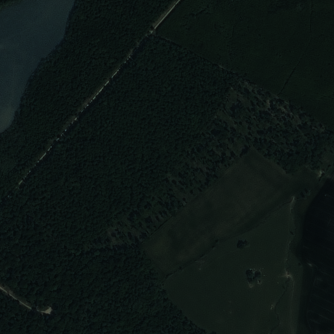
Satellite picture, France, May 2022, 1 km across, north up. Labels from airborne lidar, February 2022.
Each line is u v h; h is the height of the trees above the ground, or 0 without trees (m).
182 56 24
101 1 26
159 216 0
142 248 19
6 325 23
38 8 0
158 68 24
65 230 26
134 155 27
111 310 25
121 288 22
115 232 0
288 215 0
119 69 0
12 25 0
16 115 14
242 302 0
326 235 0
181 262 0
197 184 22
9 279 30
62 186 24
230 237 0
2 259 27
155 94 24
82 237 25
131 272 21
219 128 25
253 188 0
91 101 0
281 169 0
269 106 0
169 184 28
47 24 0
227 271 0
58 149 20
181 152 26
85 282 23
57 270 28
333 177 0
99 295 24
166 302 22
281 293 0
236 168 0
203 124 24
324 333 0
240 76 24
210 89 28
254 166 0
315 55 9
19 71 0
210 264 0
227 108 26
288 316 0
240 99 0
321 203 0
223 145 27
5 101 0
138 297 24
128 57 0
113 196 25
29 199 23
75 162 21
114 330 21
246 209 0
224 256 0
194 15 21
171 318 22
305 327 0
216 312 0
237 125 24
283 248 0
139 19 23
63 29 0
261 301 0
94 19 23
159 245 0
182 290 0
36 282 25
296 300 0
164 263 0
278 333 0
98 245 29
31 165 23
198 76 24
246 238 0
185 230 0
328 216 0
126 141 25
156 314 26
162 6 22
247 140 20
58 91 21
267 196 0
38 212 25
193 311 0
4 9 0
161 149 26
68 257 28
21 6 0
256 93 23
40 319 27
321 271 0
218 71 25
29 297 28
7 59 0
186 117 26
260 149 20
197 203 0
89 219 25
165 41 22
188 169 25
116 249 27
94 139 24
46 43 0
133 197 26
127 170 27
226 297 0
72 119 0
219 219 0
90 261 23
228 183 0
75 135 19
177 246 0
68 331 23
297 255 0
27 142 19
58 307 27
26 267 30
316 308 0
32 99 16
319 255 0
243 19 13
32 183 21
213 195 0
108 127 24
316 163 22
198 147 0
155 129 26
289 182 0
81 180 25
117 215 27
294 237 0
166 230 0
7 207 23
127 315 22
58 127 15
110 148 24
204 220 0
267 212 0
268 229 0
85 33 20
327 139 22
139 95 24
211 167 0
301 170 0
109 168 27
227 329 0
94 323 24
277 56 7
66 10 0
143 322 26
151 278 26
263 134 20
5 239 26
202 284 0
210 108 22
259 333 0
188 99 24
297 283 0
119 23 23
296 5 11
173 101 24
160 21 0
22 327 24
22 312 19
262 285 0
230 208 0
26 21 0
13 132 6
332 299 0
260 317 0
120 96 23
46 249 24
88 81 21
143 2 21
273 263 0
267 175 0
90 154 24
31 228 27
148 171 27
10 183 21
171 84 22
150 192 25
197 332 19
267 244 0
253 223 0
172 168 24
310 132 24
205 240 0
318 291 0
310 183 0
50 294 26
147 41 23
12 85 0
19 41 0
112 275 26
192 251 0
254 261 0
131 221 24
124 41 21
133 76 25
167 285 0
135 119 24
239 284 0
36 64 0
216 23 5
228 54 7
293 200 0
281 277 0
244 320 0
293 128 21
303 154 24
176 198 24
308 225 0
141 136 25
